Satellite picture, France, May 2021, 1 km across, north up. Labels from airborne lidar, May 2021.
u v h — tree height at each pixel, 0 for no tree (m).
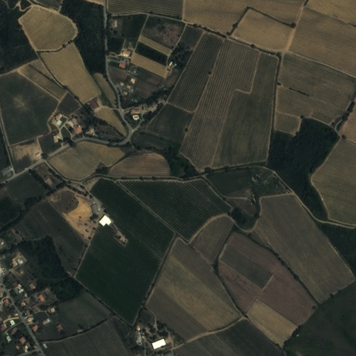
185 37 0
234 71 0
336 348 0
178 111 0
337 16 0
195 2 0
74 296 8
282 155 6
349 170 0
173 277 0
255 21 0
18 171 0
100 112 0
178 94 0
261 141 0
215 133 0
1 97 0
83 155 0
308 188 11
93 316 0
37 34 0
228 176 0
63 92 0
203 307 0
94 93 0
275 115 0
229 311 0
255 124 0
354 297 0
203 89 0
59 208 0
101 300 9
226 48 0
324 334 0
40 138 0
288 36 0
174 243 0
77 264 0
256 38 0
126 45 0
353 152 0
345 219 0
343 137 14
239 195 0
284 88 0
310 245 0
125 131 0
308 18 0
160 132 0
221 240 0
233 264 0
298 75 0
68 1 10
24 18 0
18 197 0
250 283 0
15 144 0
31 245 12
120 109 0
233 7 0
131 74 0
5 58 0
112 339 0
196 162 0
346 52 0
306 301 0
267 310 0
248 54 0
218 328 0
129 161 0
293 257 0
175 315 0
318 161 10
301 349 0
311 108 0
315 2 0
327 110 0
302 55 0
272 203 0
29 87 0
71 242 0
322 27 0
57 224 0
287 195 0
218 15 0
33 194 0
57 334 0
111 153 0
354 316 0
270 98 0
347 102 0
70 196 0
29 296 6
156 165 0
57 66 0
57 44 0
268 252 0
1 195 0
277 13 0
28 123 0
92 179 0
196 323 0
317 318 0
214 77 0
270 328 0
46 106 0
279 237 0
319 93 0
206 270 0
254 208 0
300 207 0
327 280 0
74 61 0
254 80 0
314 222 0
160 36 0
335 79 0
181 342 0
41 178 9
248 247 0
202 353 0
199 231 0
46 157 18
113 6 0
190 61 0
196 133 0
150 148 11
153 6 0
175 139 0
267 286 0
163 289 0
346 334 0
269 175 0
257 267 0
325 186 0
